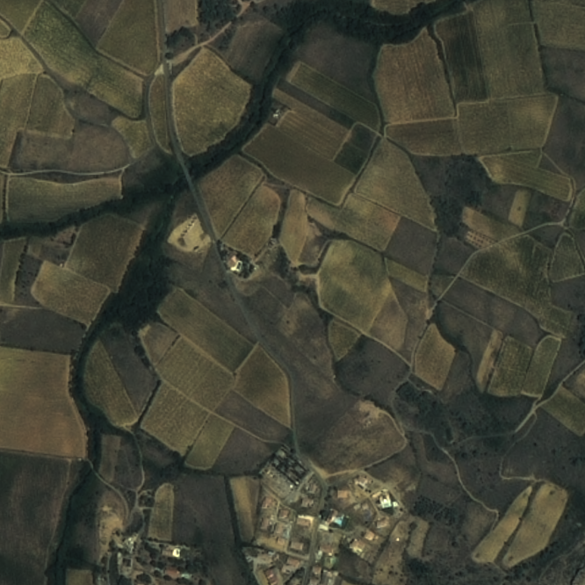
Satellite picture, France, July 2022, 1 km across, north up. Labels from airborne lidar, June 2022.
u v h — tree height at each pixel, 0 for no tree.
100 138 0
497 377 0
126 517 0
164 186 12
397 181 0
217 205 0
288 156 0
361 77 0
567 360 0
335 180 0
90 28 0
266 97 11
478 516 0
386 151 0
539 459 0
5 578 0
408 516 0
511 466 0
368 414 0
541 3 0
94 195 0
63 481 0
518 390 0
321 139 0
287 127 0
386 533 0
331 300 0
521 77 0
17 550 0
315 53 0
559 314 0
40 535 0
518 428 0
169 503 0
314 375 0
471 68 0
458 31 0
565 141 0
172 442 0
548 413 0
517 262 0
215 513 0
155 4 0
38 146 0
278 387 0
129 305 15
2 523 0
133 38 0
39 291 0
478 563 0
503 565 0
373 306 0
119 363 0
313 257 0
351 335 0
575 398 0
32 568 0
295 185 0
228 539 0
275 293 0
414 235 0
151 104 0
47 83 0
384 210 0
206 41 0
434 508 8
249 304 0
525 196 0
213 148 8
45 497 0
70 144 0
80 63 0
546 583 0
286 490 0
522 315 0
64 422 0
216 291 0
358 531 0
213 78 0
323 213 0
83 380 16
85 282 0
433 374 0
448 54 0
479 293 0
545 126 0
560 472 0
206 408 0
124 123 0
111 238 0
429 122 0
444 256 0
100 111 0
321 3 8
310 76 0
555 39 0
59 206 0
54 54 0
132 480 0
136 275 7
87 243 0
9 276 0
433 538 0
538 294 0
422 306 0
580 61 0
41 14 0
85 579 0
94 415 10
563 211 0
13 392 0
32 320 0
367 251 0
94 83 0
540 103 0
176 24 0
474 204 13
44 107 0
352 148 0
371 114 0
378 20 8
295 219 0
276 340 0
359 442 0
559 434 0
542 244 0
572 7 0
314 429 0
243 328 0
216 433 0
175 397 0
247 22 0
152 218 0
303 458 0
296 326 0
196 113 0
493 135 0
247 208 0
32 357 0
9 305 0
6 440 0
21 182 0
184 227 0
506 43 0
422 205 0
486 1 0
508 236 0
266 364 0
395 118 0
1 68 0
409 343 0
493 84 0
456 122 0
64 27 0
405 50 0
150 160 0
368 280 0
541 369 0
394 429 0
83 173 0
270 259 0
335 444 0
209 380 0
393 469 0
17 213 0
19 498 0
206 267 0
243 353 0
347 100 0
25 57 0
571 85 0
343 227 0
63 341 0
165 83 0
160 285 6
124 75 0
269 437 0
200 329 0
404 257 0
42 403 0
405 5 0
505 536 0
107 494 0
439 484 0
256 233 0
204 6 14
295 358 0
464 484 0
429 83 0
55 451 0
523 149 0
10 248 0
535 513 0
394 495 0
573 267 0
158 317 6
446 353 0
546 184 0
